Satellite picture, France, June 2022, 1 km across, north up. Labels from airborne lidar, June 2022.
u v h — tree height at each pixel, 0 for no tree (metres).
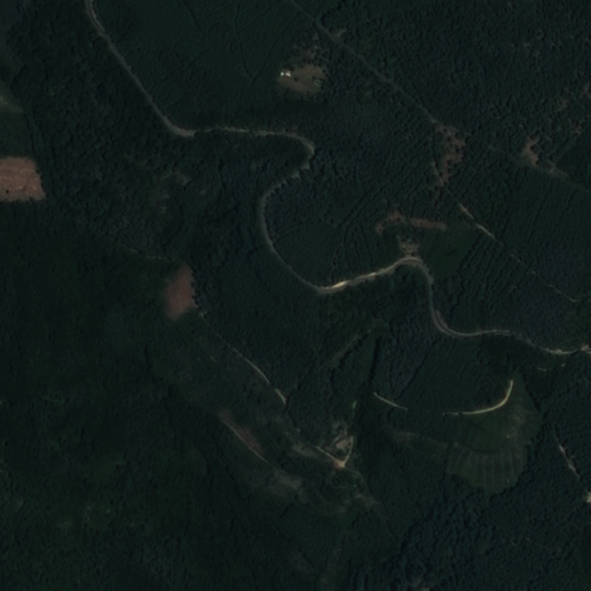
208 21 16
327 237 14
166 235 14
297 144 20
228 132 14
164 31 15
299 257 13
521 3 14
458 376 20
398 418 17
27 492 22
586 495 18
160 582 16
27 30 13
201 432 24
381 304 17
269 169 26
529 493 19
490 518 15
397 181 15
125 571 20
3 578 17
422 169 15
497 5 18
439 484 16
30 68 17
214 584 11
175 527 7
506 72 16
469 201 9
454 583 18
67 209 12
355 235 15
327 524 17
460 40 17
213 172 28
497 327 18
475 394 22
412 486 23
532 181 19
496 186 11
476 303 17
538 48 18
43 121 25
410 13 17
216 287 8
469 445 0
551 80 19
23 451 26
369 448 14
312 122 13
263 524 9
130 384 13
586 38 16
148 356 16
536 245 19
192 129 10
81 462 12
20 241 15
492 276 15
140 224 11
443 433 17
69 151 17
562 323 14
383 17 23
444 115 16
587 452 16
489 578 19
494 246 17
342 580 7
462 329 18
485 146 19
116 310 19
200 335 10
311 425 14
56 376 23
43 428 32
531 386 19
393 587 10
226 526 10
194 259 15
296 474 17
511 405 0
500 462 0
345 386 32
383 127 17
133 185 16
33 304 27
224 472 16
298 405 11
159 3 13
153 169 11
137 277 7
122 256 7
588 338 6
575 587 20
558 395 30
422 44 19
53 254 18
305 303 29
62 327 25
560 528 18
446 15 21
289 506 7
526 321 17
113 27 11
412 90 15
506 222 11
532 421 0
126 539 19
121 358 9
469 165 13
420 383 19
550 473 20
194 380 7
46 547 23
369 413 20
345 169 21
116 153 11
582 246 21
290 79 0
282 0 16
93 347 20
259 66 14
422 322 12
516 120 20
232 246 6
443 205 17
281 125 14
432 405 21
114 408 9
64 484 20
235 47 14
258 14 14
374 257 14
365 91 10
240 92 18
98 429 25
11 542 29
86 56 11
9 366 14
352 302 10
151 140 11
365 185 9
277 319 14
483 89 27
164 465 10
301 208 14
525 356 16
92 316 19
